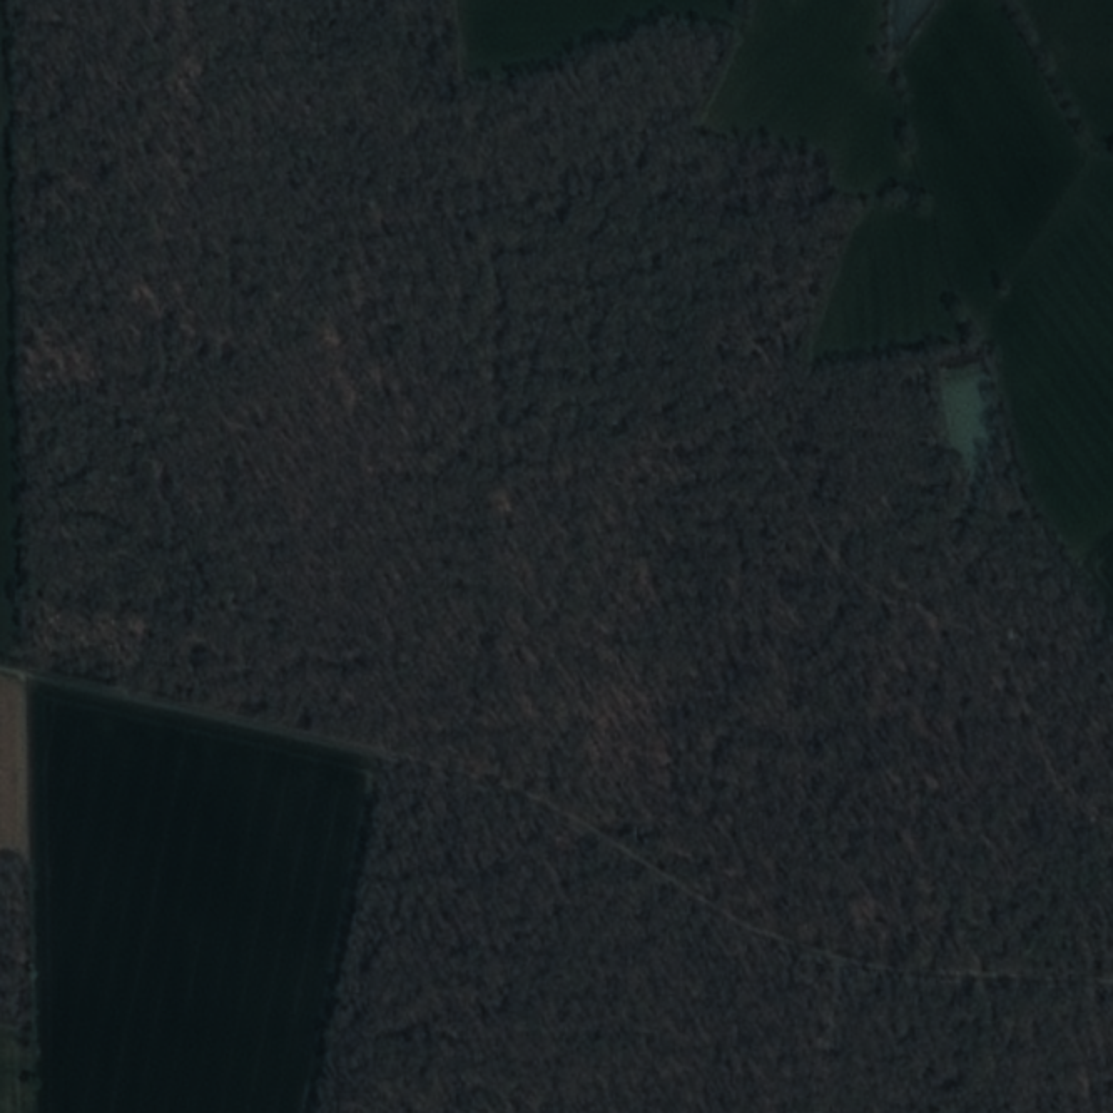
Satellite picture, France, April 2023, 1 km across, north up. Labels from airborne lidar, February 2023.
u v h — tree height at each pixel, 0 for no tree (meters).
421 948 26
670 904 18
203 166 23
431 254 21
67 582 22
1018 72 0
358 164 21
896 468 20
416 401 26
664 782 24
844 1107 20
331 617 20
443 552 23
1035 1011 22
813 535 18
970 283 0
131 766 0
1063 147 0
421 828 20
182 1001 0
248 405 27
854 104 0
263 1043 0
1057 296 0
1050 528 17
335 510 24
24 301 14
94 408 26
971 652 24
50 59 23
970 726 24
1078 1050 22
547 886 27
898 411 20
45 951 0
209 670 20
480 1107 26
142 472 26
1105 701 21
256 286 20
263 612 24
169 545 18
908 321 0
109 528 24
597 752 26
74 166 25
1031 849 24
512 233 24
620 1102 24
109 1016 0
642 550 25
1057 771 22
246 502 26
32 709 0
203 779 0
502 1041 29
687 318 21
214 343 24
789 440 17
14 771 0
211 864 0
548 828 27
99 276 24
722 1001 25
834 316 0
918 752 24
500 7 0
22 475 19
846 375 19
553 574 20
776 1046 21
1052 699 21
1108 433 0
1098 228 0
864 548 17
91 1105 0
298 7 25
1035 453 0
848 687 27
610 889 18
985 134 0
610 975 24
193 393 22
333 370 21
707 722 20
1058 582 22
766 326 20
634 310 25
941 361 20
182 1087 0
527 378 21
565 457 22
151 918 0
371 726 11
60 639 17
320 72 26
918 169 0
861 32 0
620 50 24
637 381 28
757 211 22
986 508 26
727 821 23
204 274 26
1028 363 0
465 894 11
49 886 0
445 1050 25
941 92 0
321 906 0
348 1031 7
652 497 22
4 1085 0
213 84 20
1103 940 23
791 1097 21
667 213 22
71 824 0
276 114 24
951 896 24
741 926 15
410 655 24
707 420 23
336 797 0
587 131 25
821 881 21
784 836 24
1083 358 0
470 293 22
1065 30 0
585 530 26
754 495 25
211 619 22
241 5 22
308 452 21
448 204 20
